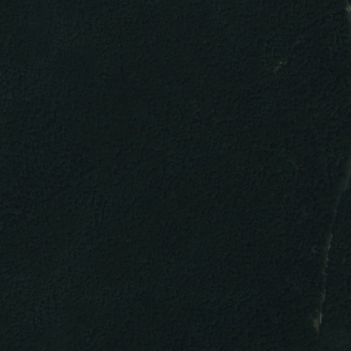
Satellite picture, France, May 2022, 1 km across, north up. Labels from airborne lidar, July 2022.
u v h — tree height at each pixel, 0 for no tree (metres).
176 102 28
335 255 28
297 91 27
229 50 26
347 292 27
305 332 33
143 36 24
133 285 21
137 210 28
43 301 13
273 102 25
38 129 24
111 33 24
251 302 30
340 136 30
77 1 28
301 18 31
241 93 29
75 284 19
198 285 24
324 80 30
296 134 31
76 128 29
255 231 27
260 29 33
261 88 29
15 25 29
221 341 26
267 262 30
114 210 21
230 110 29
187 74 26
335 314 28
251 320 28
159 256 29
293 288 31
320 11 28
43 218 24
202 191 26
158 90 25
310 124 29
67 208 31
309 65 30
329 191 21
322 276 27
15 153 26
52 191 14
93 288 22
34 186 27
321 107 33
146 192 27
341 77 30
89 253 24
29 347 24
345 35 28
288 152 28
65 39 24
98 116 29
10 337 21
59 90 24
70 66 26
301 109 31
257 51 27
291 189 30
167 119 30
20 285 25
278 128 30
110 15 31
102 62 24
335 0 26
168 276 22
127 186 27
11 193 27
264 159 23
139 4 27
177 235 29
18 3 30
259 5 28
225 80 29
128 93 30
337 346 29
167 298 24
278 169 30
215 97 15
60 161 27
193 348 28
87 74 30
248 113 29
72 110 26
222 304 10
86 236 26
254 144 29
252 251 26
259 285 29
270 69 21
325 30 28
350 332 26
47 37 26
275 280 31
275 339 29
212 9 30
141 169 27
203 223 26
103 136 32
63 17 29
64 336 26
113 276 21
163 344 29
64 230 26
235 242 30
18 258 25
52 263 24
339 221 30
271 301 31
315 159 31
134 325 31
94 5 29
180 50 26
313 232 28
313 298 28
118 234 28
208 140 27
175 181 28
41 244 27
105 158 33
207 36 30
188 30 28
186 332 25
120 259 28
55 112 31
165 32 30
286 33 26
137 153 27
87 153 33
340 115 30
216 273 30
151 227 29
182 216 23
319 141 33
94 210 27
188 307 30
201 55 25
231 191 30
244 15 17
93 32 21
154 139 27
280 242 28
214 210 29
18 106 24
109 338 29
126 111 29
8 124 22
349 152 28
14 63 22
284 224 25
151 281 21
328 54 29
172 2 26
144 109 30
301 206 27
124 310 25
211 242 23
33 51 25
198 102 24
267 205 28
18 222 32
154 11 27
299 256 28
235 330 30
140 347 31
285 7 29
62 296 26
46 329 29
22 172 27
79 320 27
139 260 29
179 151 25
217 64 29
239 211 27
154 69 28
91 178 32
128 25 29
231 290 28
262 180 30
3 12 26
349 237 30
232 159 25
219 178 28
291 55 26
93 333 26
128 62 21
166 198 29
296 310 34
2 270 23
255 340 28
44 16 28
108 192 23
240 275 27
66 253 17
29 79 27
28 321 22
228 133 25
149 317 24
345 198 25
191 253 27
